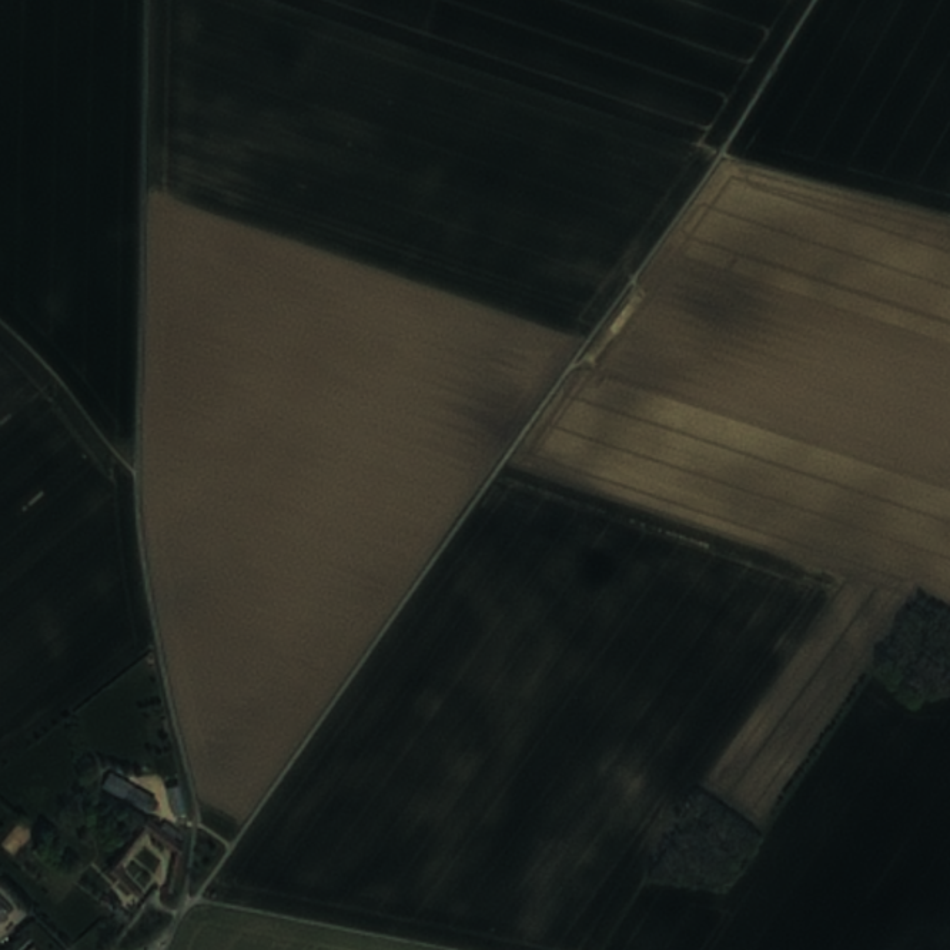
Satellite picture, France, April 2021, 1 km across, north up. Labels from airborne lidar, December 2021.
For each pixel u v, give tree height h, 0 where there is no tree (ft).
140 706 27
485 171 0
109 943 59
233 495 0
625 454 0
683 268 0
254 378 0
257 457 0
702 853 58
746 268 0
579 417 0
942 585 0
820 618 0
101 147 0
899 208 0
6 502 0
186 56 0
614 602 0
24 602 0
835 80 0
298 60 0
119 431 0
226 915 0
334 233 0
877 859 0
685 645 0
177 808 0
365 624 0
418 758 0
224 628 0
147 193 0
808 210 0
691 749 0
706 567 0
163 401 0
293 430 0
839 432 0
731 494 0
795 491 0
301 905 0
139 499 0
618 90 0
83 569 0
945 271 0
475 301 0
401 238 0
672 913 0
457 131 0
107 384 0
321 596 0
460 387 0
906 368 0
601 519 0
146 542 0
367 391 0
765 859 0
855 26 0
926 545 0
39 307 0
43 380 0
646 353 0
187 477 0
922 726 0
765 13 0
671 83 0
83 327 0
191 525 0
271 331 0
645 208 0
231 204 0
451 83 0
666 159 0
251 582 0
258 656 0
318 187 0
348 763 0
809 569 0
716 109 0
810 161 0
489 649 0
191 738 0
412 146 0
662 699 0
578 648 0
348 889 0
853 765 0
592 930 0
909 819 0
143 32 0
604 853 0
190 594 0
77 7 0
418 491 0
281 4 0
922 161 0
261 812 0
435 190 0
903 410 0
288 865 0
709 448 0
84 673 0
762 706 0
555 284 0
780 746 0
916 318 0
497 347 0
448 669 0
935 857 0
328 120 0
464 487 0
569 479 0
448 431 0
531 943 0
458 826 0
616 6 0
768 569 0
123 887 0
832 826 0
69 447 0
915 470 0
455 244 0
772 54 0
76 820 56
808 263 0
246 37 0
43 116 0
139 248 0
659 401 0
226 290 0
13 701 0
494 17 0
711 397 0
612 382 0
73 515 0
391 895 0
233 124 0
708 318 0
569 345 0
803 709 0
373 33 0
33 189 0
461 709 0
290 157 0
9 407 0
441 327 0
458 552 0
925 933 0
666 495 0
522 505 0
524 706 0
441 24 0
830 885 0
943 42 0
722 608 0
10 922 0
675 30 0
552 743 0
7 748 0
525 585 0
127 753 0
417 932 0
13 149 0
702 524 0
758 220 0
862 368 0
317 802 0
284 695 0
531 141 0
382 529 0
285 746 0
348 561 0
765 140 0
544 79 0
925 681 52
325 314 0
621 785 0
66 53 0
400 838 0
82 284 0
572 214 0
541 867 0
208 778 0
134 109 0
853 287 0
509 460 0
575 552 0
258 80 0
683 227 0
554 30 0
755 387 0
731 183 0
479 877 0
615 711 0
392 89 0
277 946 0
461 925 0
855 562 0
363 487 0
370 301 0
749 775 0
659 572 0
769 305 0
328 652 0
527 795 0
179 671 0
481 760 0
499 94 0
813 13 0
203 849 29
